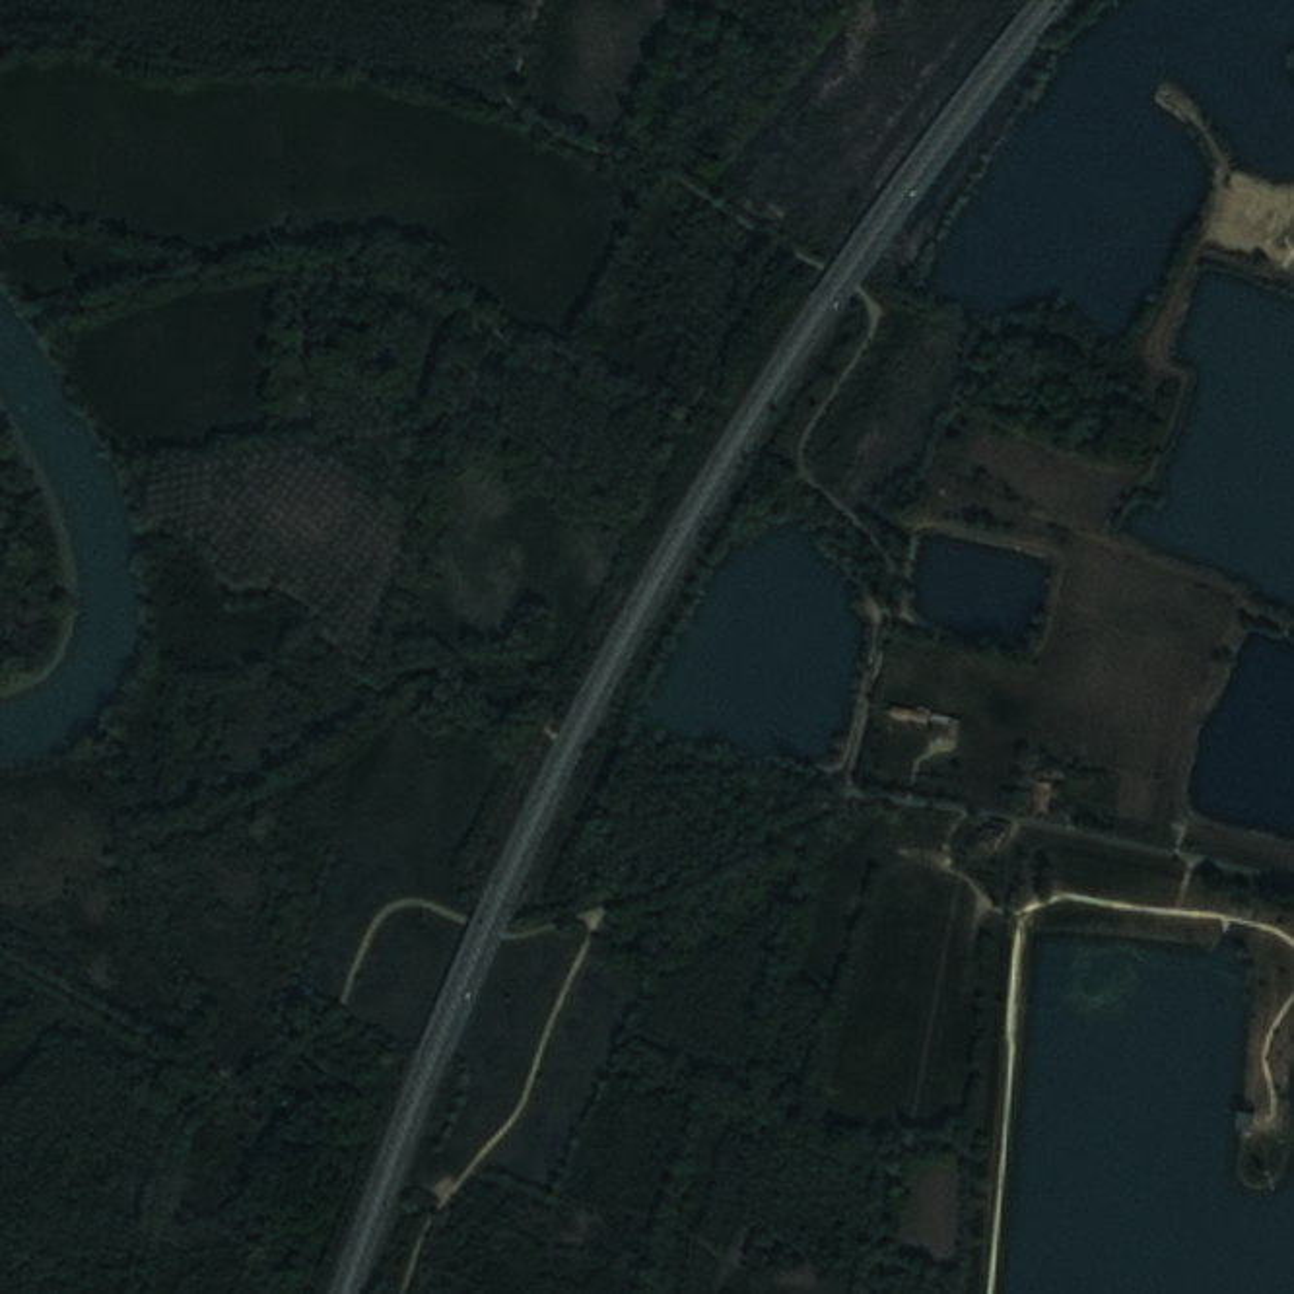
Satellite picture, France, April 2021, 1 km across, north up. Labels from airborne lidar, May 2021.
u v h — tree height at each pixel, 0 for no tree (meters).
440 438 19
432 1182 0
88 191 0
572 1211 8
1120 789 0
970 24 0
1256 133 0
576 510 10
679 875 17
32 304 17
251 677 15
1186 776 0
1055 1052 0
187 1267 7
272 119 0
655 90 18
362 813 0
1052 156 0
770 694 0
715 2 9
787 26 13
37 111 0
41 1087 16
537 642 23
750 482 8
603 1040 0
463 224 0
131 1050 5
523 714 17
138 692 16
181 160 0
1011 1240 0
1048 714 0
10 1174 15
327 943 0
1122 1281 0
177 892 10
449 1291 11
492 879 0
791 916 17
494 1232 10
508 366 15
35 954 11
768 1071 21
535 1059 0
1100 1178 0
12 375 0
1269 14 0
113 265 0
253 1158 8
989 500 0
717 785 11
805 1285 0
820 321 0
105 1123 14
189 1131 17
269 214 0
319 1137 20
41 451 0
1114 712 0
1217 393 0
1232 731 0
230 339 0
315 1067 6
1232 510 0
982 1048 5
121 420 0
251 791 15
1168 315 0
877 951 0
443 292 23
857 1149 19
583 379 22
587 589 0
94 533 0
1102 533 0
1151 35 0
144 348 0
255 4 8
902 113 0
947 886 0
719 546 17
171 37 11
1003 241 0
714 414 7
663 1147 8
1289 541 0
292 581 28
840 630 0
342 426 19
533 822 0
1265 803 0
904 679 0
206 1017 23
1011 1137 0
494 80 11
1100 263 0
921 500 10
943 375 0
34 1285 11
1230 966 0
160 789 10
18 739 0
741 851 13
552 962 0
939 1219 0
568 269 0
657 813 16
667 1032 12
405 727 0
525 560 0
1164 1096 0
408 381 22
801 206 0
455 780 0
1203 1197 0
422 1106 0
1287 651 0
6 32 12
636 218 16
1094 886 0
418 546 17
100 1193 9
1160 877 0
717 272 13
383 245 21
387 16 10
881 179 0
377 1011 0
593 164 10
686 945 18
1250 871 0
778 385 0
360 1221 0
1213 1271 0
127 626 0
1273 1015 0
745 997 12
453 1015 0
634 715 10
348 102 0
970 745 0
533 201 0
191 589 7
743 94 18
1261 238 0
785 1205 9
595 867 12
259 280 13
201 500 28
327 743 23
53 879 0
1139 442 11
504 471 10
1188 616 0
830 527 7
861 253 0
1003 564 0
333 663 10
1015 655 31
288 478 28
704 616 0
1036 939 0
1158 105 0
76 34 10
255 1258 13
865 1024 0
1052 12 0
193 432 0
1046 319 6
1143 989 0
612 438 23
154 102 0
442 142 0
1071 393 21
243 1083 13
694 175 14
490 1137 0
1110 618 0
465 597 0
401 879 0
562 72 0
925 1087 0
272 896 10
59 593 10
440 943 0
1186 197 0
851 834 13
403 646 25
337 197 0
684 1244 9
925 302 18
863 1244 16
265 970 7
